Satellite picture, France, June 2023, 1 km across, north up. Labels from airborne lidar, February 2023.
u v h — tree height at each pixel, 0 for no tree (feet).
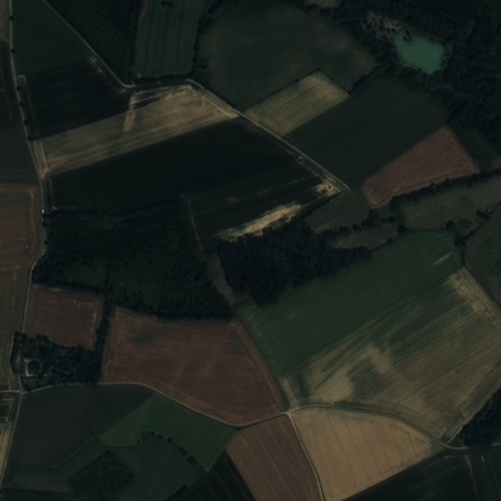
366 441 0
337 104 0
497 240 0
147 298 0
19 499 0
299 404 0
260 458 0
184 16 0
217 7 58
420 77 48
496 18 0
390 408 0
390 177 0
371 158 0
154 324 0
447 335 0
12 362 36
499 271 0
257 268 121
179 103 0
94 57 0
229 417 0
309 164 0
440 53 0
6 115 0
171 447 0
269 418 0
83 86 0
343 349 0
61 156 0
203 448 0
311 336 0
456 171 0
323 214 0
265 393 0
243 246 110
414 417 0
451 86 57
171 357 0
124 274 0
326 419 0
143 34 0
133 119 0
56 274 58
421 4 56
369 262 0
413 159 0
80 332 0
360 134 0
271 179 0
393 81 0
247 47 0
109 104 0
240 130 0
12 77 0
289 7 0
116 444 0
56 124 0
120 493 0
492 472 0
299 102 0
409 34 39
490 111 88
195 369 0
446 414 0
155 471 0
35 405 0
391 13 56
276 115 0
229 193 0
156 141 0
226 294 0
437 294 0
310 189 0
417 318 0
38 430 0
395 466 0
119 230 33
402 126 0
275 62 0
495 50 22
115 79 0
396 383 0
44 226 40
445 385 0
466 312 0
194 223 0
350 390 0
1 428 0
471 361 0
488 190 0
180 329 0
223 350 0
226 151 0
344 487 0
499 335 0
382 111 0
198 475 0
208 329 0
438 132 0
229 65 0
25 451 0
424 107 0
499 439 0
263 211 0
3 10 0
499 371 0
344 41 0
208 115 0
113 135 0
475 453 0
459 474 0
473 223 0
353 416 0
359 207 0
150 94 0
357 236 0
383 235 0
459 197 0
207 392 0
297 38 0
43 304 0
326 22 0
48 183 0
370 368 0
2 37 0
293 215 0
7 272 0
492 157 0
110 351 0
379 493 0
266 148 0
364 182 0
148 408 0
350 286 0
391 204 20
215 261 0
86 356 87
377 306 0
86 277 0
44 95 0
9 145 0
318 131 0
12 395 0
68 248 48
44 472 0
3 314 0
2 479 0
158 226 18
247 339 0
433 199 0
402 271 0
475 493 0
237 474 0
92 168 0
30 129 0
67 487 0
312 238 111
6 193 0
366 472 0
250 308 0
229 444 0
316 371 0
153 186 0
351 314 0
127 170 0
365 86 0
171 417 0
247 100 0
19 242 0
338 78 0
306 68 0
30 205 0
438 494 0
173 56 0
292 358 0
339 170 0
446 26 44
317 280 0
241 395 0
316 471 0
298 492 0
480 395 0
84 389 0
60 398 0
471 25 0
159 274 0
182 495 36
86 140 0
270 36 0
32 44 0
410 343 0
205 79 0
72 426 0
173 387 0
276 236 93
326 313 0
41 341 52
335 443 0
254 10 0
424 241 0
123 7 31
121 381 0
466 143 0
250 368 0
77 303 0
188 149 0
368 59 0
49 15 0
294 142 0
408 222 0
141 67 0
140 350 0
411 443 0
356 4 77
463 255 24
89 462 0
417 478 0
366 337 0
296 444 0
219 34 0
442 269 0
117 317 0
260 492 0
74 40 0
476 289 0
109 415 0
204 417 0
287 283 71
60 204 0
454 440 0
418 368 0
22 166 0
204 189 0
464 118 90
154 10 0
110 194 0
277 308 0
